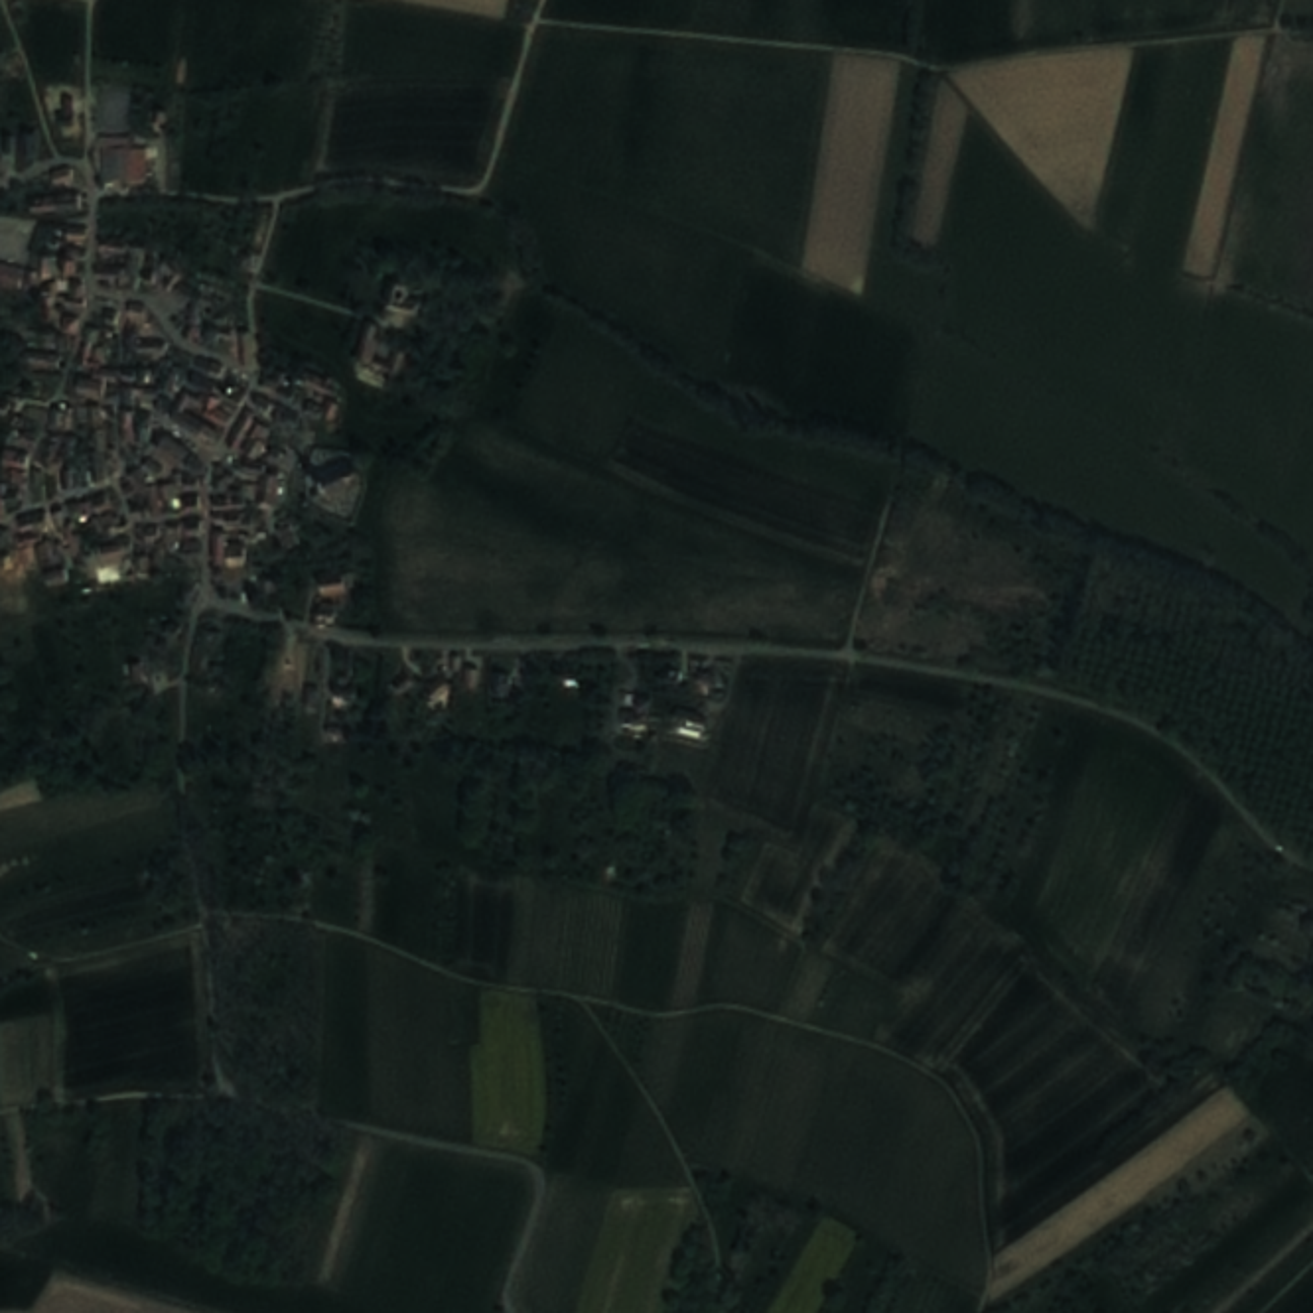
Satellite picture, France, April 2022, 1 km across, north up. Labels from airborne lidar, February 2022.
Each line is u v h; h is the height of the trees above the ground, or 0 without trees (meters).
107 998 0
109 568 0
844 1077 0
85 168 0
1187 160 0
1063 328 0
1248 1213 0
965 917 0
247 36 0
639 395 0
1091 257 0
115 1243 0
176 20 0
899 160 0
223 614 0
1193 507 0
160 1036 0
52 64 0
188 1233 14
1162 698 27
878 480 0
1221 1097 0
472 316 28
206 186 0
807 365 0
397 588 0
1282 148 0
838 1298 18
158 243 11
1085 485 0
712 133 0
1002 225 0
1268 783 26
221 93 8
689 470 0
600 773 8
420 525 0
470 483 0
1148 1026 0
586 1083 0
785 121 0
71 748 7
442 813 0
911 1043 0
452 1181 0
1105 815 0
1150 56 0
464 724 0
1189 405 0
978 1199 0
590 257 0
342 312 0
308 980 13
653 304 0
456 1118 0
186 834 18
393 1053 0
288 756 10
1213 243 0
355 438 0
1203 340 0
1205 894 0
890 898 0
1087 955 0
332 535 10
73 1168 0
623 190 0
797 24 0
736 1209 0
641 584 0
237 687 10
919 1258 0
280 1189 29
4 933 0
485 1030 0
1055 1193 0
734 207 0
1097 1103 0
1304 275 0
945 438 0
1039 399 0
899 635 0
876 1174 0
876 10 0
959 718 0
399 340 16
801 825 0
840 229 0
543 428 0
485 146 0
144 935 0
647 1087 0
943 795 8
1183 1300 0
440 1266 0
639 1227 0
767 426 18
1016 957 0
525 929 0
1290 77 0
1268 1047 6
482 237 0
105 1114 13
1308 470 0
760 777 0
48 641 0
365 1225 0
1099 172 0
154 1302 0
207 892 23
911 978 0
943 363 0
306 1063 7
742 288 0
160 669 9
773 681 0
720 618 0
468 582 0
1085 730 0
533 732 6
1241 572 0
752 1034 0
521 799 11
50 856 0
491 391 0
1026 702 0
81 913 0
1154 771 0
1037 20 0
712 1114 0
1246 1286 0
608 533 0
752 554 0
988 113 0
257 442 0
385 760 0
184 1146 21
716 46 0
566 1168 0
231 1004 25
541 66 0
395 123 0
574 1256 0
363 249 9
